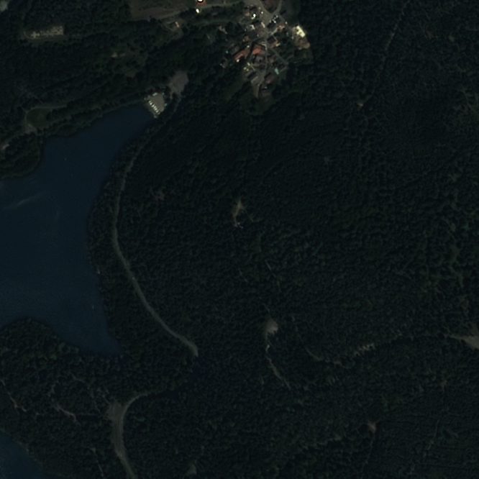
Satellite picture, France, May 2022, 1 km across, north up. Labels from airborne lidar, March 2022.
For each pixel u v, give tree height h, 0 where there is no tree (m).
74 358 35
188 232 20
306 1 12
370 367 25
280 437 26
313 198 18
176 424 33
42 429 21
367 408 24
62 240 0
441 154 9
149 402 11
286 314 13
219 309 27
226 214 20
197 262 24
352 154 20
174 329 14
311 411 24
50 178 0
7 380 17
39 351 25
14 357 9
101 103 19
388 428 13
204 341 25
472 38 17
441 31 9
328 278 20
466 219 7
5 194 0
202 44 13
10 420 9
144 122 0
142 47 10
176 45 24
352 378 30
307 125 19
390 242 21
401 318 27
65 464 19
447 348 12
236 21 0
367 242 24
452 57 27
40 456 15
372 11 14
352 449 28
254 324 27
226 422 27
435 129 14
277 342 26
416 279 20
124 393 30
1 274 0
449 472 7
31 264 0
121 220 16
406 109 11
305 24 15
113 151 0
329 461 15
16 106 16
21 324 15
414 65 10
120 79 23
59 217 0
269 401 24
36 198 0
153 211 18
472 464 8
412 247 19
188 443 30
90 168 0
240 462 15
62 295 0
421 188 15
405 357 28
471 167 13
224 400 28
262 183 10
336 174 16
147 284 25
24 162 19
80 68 21
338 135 20
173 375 24
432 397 7
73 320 0
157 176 17
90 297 0
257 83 0
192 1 0
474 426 7
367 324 21
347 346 23
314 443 8
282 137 11
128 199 20
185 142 16
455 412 6
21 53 18
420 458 10
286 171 16
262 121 12
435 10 18
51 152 0
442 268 7
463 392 9
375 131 15
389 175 21
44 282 0
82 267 0
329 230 14
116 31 22
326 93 18
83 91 25
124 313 21
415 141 10
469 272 17
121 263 16
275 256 13
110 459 20
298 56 10
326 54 24
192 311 27
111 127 0
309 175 18
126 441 10
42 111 0
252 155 16
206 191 8
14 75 24
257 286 21
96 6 20
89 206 0
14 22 20
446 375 6
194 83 16
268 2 0
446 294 34
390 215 16
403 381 24
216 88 17
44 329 14
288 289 22
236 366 9
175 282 15
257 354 24
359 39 24
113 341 0
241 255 19
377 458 15
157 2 0
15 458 0
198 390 12
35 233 0
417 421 8
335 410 26
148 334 27
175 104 12
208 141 17
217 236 19
